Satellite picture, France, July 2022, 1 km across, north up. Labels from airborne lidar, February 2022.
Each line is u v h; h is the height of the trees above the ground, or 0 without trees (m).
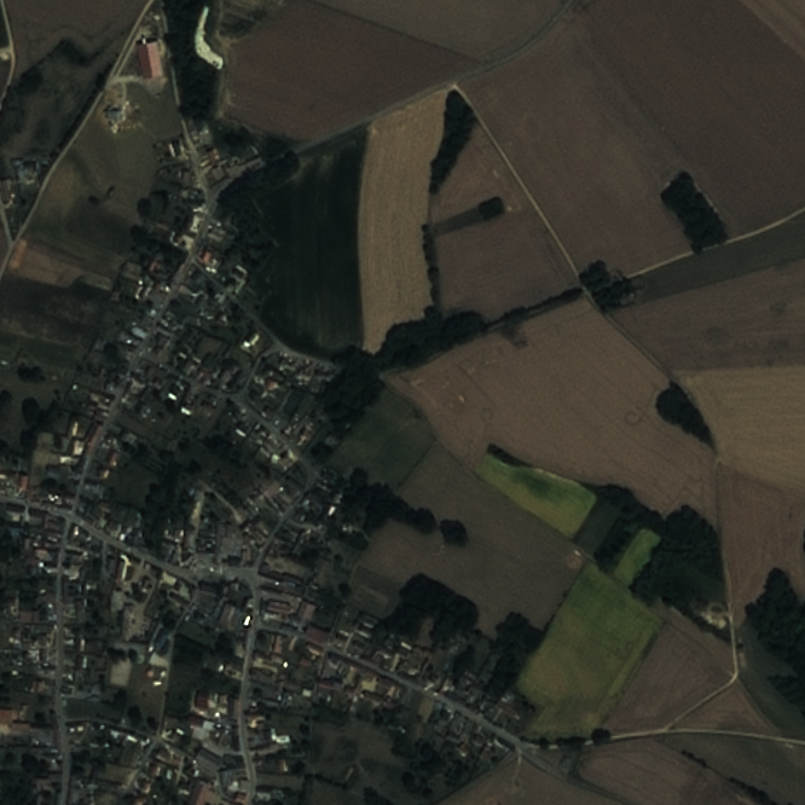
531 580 0
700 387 0
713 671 0
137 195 0
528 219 0
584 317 0
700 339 0
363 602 0
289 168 15
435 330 15
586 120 0
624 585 0
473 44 0
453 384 0
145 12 0
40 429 8
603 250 0
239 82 0
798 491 0
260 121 0
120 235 0
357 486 17
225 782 0
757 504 0
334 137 0
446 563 0
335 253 0
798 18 0
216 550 0
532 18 0
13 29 0
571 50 0
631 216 0
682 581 0
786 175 0
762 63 0
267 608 0
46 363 0
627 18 0
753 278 0
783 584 17
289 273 0
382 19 0
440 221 0
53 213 0
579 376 0
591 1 0
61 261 0
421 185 0
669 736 0
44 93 0
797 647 16
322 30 0
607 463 0
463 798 0
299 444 0
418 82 0
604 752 0
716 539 11
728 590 0
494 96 0
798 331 0
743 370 0
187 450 14
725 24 0
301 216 0
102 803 0
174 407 17
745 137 0
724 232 11
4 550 10
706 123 0
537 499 0
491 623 0
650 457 0
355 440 0
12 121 0
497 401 0
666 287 0
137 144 0
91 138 0
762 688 0
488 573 0
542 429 0
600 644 0
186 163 0
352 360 17
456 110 19
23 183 0
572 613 0
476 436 0
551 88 0
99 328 0
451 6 0
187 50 6
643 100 0
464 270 0
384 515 17
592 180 0
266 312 0
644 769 0
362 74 0
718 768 0
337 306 0
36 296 0
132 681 0
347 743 0
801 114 0
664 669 0
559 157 0
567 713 0
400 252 0
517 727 0
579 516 0
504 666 12
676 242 0
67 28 0
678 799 0
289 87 0
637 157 0
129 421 0
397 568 0
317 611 7
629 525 16
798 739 0
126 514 0
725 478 0
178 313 7
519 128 0
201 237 0
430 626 0
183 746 7
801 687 9
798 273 0
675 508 0
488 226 0
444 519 0
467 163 0
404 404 0
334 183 0
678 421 10
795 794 0
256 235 15
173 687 0
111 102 0
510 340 0
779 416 0
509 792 0
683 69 0
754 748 0
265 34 0
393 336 16
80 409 0
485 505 0
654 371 0
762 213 0
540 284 0
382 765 0
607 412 0
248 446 0
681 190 14
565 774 0
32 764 17
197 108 14
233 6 0
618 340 0
